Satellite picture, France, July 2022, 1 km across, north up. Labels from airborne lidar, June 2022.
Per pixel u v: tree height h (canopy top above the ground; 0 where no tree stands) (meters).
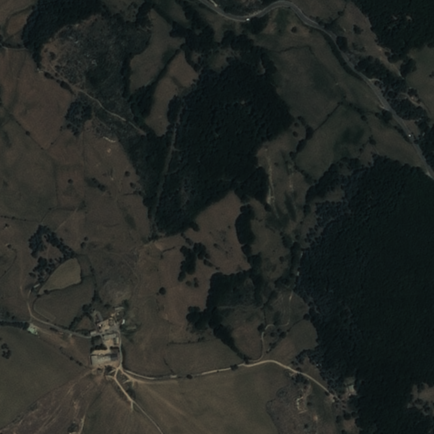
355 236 18
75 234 0
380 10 13
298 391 0
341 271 15
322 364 13
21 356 0
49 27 18
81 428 0
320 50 0
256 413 0
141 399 0
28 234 0
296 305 0
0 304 0
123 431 0
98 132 7
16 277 0
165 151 7
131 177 0
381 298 17
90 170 0
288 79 0
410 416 16
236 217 0
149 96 7
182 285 0
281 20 0
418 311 20
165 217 12
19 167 0
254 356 0
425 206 16
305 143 12
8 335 0
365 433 10
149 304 0
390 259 19
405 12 16
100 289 0
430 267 17
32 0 0
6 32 0
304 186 0
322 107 0
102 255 0
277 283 11
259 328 11
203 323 20
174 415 0
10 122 0
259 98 23
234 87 25
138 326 0
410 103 13
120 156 0
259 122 22
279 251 0
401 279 16
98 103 0
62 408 0
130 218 0
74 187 0
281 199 0
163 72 6
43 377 0
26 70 0
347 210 15
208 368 0
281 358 0
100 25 0
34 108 0
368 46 0
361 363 20
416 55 0
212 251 0
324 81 0
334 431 0
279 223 0
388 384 22
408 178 18
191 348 0
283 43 0
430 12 21
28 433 0
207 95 24
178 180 7
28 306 0
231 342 22
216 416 0
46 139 0
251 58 6
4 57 0
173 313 0
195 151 14
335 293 12
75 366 0
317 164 0
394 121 0
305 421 0
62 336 0
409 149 0
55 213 0
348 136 0
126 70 18
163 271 0
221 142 13
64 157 0
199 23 16
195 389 0
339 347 15
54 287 0
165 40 0
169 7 0
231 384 0
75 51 0
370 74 8
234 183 14
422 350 12
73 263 0
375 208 13
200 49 11
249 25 6
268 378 0
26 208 0
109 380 0
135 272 0
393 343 18
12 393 0
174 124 12
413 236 14
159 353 0
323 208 16
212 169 16
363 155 0
